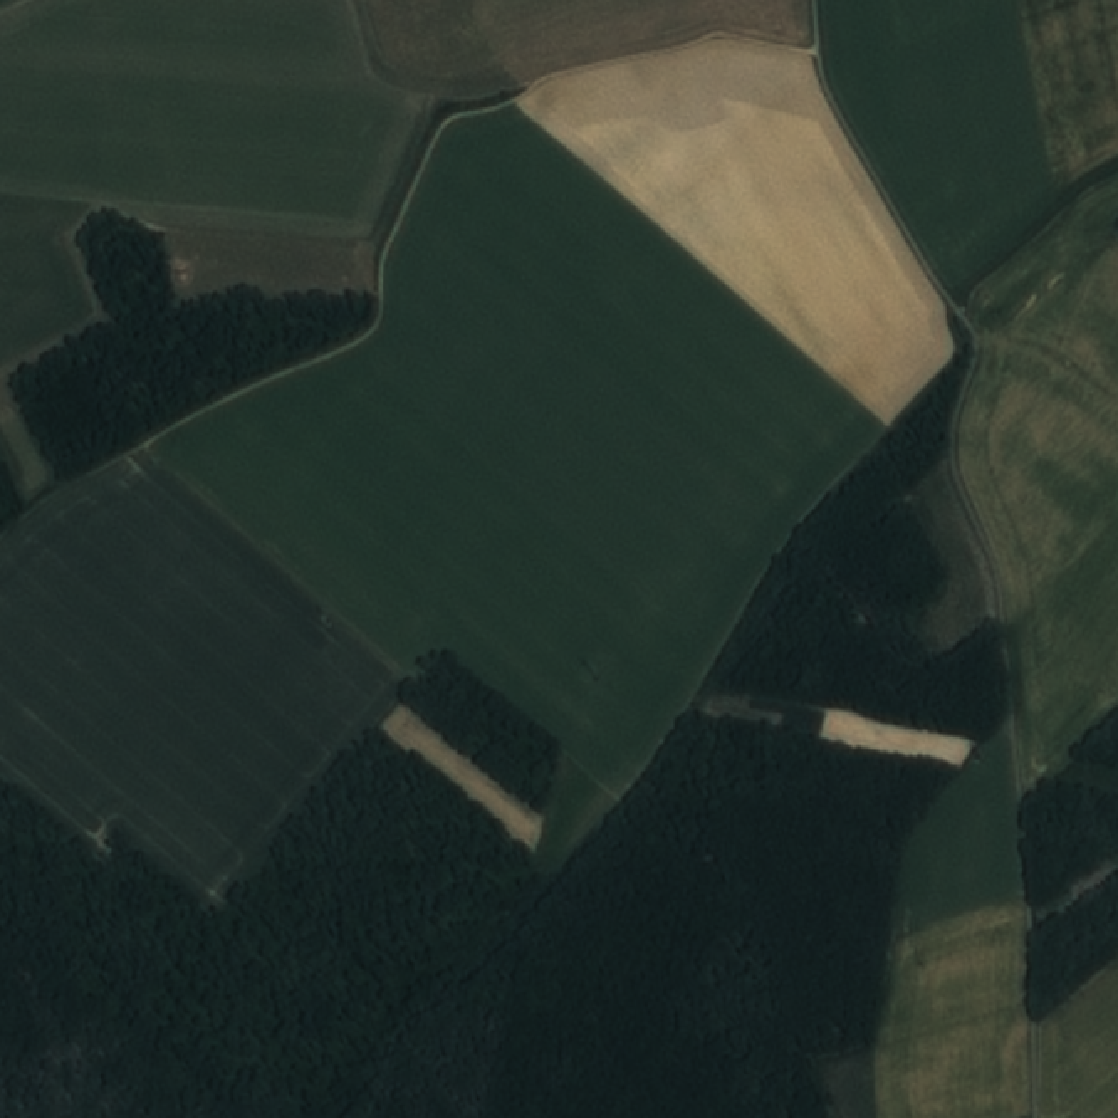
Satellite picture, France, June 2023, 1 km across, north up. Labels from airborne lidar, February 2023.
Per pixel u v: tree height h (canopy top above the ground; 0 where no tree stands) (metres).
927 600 21
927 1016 0
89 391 12
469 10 0
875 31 0
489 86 0
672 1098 21
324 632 0
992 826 0
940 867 0
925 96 0
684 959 14
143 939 24
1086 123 0
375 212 0
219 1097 8
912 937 0
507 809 0
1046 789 16
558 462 0
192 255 0
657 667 0
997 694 21
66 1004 18
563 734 0
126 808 0
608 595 0
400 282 0
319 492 0
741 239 0
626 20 0
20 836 24
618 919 20
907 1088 0
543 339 0
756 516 0
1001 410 0
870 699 22
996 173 0
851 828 21
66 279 0
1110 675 0
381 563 0
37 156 0
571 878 18
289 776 0
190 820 0
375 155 0
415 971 23
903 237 0
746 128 0
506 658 0
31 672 0
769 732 17
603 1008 22
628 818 18
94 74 0
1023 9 0
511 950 20
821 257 0
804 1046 24
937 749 0
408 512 0
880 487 22
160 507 0
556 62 0
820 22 0
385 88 0
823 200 0
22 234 0
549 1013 20
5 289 0
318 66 0
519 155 0
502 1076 16
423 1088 22
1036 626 0
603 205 0
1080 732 0
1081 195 0
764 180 0
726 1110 17
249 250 0
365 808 24
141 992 22
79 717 0
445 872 10
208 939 21
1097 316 0
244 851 0
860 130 0
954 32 0
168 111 0
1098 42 0
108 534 0
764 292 0
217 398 16
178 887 12
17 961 19
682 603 0
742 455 0
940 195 0
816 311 0
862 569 23
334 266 0
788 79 0
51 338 0
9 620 0
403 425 0
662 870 21
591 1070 15
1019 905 0
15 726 0
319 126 0
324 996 24
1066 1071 0
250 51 0
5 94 0
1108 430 0
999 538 0
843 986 24
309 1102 21
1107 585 0
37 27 0
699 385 0
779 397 0
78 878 8
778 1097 19
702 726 18
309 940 21
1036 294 0
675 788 16
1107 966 19
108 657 0
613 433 0
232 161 0
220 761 0
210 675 0
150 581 0
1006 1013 0
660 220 0
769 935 23
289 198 0
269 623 0
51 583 0
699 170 0
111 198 0
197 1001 20
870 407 0
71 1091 20
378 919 23
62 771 0
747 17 0
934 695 21
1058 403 0
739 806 22
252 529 0
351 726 0
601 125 0
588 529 0
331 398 0
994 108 0
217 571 0
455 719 19
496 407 0
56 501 0
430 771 12
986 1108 0
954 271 0
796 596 16
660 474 0
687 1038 21
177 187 0
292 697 0
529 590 0
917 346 0
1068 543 0
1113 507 0
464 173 0
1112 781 0
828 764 21
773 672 10
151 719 0
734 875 19
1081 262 0
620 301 0
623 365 0
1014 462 0
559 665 0
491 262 0
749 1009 21
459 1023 22
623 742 0
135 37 0
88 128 0
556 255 0
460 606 0
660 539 0
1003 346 0
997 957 0
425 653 0
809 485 0
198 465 0
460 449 0
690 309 0
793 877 23
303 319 21
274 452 0
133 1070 19
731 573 0
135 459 0
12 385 10
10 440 0
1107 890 16
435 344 0
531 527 0
